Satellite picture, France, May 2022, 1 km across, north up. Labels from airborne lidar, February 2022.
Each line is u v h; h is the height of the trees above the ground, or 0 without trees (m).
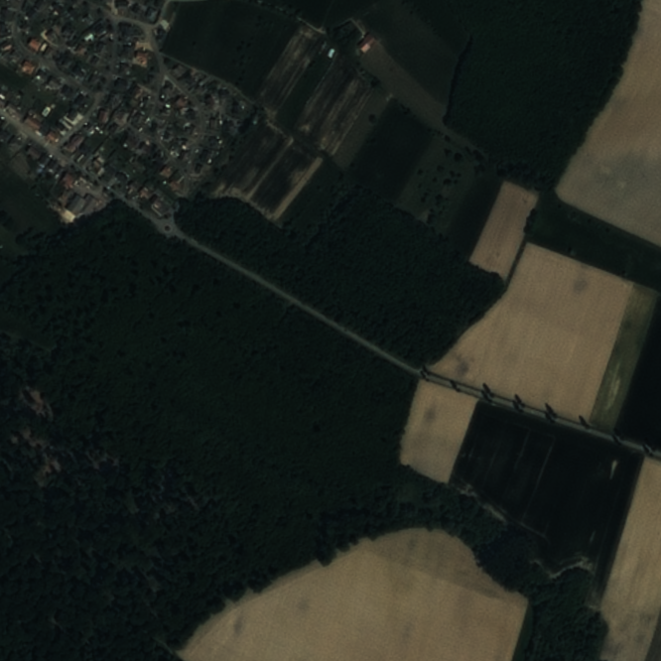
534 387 0
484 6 16
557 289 0
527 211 0
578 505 0
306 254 15
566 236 0
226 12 0
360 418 11
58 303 25
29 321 12
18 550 26
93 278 24
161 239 8
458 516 20
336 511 13
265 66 0
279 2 0
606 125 0
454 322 18
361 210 15
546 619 21
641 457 0
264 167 0
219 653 0
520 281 0
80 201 0
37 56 0
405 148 0
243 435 14
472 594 0
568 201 0
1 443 30
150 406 15
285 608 0
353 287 17
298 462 14
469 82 16
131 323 7
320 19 0
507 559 39
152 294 10
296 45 0
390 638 0
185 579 10
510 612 0
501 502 0
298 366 10
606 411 0
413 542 0
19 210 0
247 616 0
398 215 17
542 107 16
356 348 10
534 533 0
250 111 0
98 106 0
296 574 0
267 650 0
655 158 0
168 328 10
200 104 0
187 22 0
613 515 0
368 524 28
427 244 17
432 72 0
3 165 0
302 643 0
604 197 0
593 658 14
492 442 0
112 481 30
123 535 32
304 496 20
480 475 0
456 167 0
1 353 19
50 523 29
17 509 28
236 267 0
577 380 0
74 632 28
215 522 10
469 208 0
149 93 0
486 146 16
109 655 26
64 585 26
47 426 29
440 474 0
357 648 0
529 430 0
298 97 0
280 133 0
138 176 0
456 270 18
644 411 0
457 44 0
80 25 0
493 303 8
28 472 32
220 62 0
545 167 19
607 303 0
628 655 0
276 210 0
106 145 0
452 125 14
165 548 32
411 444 0
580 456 0
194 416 16
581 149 0
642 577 0
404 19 0
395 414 11
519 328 0
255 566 10
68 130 0
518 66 15
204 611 19
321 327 11
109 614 25
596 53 19
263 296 8
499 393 0
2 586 27
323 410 12
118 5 0
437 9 0
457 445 0
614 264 0
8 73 0
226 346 11
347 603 0
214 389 14
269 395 14
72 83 0
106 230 19
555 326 0
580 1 18
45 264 24
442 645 0
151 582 0
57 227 0
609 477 0
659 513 0
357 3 0
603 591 0
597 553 0
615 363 0
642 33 0
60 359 18
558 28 15
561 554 0
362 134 0
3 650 25
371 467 15
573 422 0
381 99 0
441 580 0
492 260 0
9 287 13
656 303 0
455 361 0
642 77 0
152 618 31
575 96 17
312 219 0
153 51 0
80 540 32
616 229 0
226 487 9
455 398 0
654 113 0
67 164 0
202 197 15
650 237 0
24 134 0
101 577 30
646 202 0
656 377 0
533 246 0
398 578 0
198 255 9
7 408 0
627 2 16
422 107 0
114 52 0
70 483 32
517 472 0
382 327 21
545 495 0
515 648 0
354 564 0
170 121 0
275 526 15
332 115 0
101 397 14
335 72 0
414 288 18
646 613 0
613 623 0
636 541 0
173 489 33
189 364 10
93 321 26
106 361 11
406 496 0
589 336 0
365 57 0
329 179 0
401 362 0
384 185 0
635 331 0
